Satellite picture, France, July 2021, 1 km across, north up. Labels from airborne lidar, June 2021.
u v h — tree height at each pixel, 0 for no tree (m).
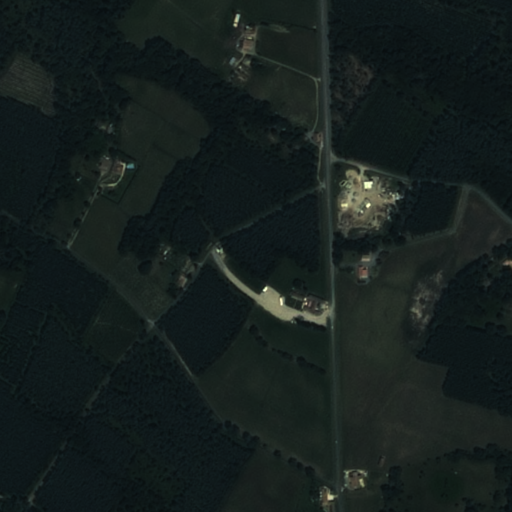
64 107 14
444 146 20
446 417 0
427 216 20
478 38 8
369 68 26
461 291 23
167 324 11
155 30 0
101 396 11
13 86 0
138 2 0
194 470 16
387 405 0
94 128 11
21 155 13
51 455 9
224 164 10
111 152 16
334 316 0
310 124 0
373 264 0
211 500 17
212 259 0
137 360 17
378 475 0
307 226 19
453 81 22
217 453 16
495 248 10
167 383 19
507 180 13
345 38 10
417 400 0
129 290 0
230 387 0
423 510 0
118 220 0
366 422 0
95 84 16
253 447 10
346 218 0
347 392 0
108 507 17
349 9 7
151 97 0
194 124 0
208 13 0
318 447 0
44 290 9
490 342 17
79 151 15
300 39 0
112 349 0
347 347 0
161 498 12
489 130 23
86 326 8
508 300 19
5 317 21
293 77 0
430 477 0
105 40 23
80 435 14
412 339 0
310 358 0
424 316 0
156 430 22
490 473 0
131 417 20
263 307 0
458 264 0
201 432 19
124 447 17
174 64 7
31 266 21
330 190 0
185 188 22
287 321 0
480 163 19
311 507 0
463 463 0
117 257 0
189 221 16
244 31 0
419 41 15
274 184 6
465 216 0
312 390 0
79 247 0
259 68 12
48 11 26
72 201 8
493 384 16
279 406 0
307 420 0
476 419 0
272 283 0
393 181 0
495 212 0
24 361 9
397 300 0
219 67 0
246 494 0
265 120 9
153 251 20
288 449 0
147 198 0
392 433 0
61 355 17
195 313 12
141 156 0
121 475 15
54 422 19
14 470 9
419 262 0
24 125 16
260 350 0
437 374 0
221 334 10
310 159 16
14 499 8
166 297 0
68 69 22
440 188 19
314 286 0
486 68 17
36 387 17
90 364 18
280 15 0
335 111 14
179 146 0
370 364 0
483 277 10
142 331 0
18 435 9
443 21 7
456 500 0
